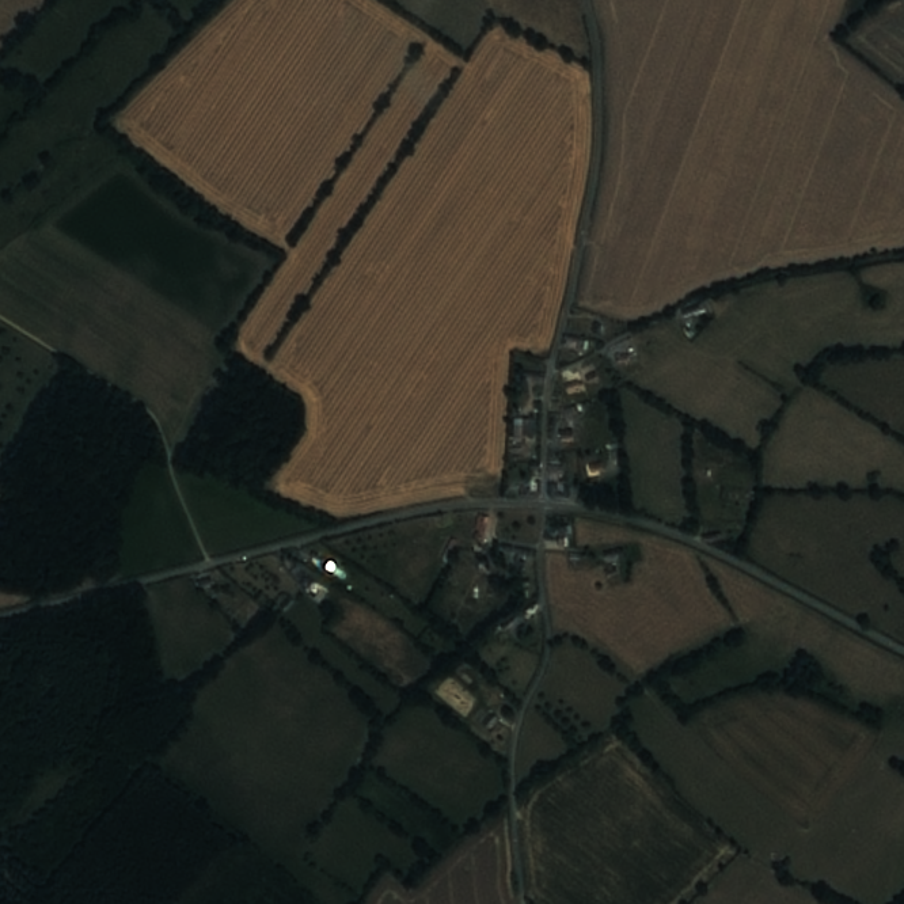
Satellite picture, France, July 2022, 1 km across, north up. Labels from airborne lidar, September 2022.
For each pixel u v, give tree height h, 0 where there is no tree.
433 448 0
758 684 8
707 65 0
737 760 0
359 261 0
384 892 0
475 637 17
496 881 0
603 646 0
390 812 0
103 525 16
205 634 0
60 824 11
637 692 11
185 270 0
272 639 0
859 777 0
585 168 0
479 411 0
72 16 0
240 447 18
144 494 0
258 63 0
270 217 0
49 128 0
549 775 13
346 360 0
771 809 0
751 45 0
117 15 11
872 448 0
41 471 21
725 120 0
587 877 0
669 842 0
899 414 0
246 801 0
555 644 9
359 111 0
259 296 7
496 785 0
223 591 8
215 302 0
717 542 8
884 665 0
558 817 0
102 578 20
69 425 19
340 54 0
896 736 0
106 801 9
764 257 0
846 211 0
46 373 0
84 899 14
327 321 0
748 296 0
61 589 19
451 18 0
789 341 0
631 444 0
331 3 0
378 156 0
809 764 0
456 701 0
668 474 0
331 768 0
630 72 0
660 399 8
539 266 0
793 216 0
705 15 0
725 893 0
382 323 0
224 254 0
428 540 0
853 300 0
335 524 12
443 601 0
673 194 0
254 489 14
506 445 5
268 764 0
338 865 0
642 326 10
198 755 0
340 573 0
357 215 9
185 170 0
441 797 0
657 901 0
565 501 0
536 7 0
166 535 0
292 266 0
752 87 0
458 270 0
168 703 13
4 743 10
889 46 0
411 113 0
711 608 0
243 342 0
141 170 15
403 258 0
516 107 0
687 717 15
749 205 0
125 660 15
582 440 0
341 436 0
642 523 0
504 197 0
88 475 21
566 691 0
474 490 0
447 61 0
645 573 0
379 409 0
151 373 0
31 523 22
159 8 17
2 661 12
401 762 0
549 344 0
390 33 0
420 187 0
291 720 0
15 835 10
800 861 0
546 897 0
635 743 17
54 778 0
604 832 0
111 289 0
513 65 0
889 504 0
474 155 0
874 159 0
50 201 0
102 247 0
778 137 0
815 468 0
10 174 0
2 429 7
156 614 0
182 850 16
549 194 0
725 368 0
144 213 0
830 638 0
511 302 0
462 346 0
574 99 0
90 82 0
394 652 0
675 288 0
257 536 0
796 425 0
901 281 0
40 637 11
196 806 15
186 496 0
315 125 0
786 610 0
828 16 0
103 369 0
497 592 16
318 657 13
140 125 0
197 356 0
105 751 9
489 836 0
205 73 0
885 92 0
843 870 0
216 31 0
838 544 0
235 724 0
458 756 0
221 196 0
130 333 0
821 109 0
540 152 0
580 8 0
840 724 0
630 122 0
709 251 0
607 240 0
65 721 18
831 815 0
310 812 0
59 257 0
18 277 0
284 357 0
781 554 0
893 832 0
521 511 0
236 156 0
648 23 0
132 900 15
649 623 0
